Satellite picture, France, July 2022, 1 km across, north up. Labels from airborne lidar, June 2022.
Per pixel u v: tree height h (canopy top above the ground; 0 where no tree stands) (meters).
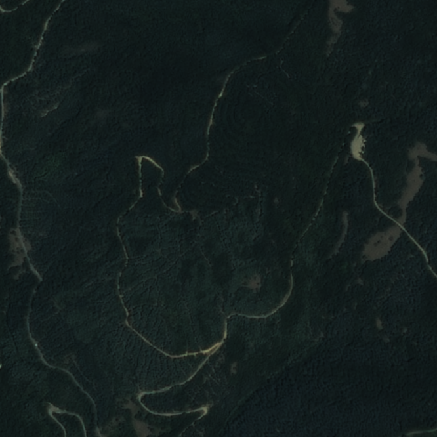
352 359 20
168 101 12
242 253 7
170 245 11
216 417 14
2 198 15
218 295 17
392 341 8
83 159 8
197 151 14
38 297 8
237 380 12
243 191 16
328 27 8
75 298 6
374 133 7
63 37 8
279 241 13
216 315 10
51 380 9
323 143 12
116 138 15
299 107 13
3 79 13
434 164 8
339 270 14
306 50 12
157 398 14
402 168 7
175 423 13
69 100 13
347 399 17
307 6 11
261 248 7
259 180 11
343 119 13
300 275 18
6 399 14
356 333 13
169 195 6
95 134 10
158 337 9
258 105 14
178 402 12
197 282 9
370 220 13
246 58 13
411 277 15
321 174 19
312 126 16
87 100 15
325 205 10
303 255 16
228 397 11
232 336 11
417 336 17
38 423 12
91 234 9
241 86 13
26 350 12
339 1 0
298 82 12
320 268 12
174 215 15
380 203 7
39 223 8
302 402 11
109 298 10
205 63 13
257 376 14
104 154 11
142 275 9
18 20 12
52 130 12
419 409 19
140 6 12
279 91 11
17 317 15
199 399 12
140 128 13
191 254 11
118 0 11
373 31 15
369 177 11
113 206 13
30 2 12
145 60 16
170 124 9
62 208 6
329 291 16
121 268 8
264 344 7
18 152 9
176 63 12
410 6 10
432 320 13
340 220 12
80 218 9
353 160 13
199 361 6
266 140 14
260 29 15
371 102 13
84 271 8
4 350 13
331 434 23
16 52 11
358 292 12
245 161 7
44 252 11
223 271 5
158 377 13
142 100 12
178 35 13
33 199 9
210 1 10
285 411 22
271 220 10
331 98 18
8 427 15
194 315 11
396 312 14
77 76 12
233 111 11
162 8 11
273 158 8
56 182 9
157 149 12
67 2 10
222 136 11
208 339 10
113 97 5
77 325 12
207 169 11
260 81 14
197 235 8
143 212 7
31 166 12
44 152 12
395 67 15
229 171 12
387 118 16
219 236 13
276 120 10
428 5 18
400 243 13
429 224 13
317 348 13
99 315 11
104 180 14
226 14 13
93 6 13
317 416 15
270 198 9
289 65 13
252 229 16
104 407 14
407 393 16
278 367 17
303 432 17
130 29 12
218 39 13
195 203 10
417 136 8
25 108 9
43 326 7
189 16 13
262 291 7
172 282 13
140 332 10
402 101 13
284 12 12
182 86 11
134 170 10
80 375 13
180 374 12
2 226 8
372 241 0
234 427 18
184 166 8
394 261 14
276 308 7
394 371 14
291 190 14
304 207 18
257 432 15
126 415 11
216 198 9
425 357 18
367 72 13
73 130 11
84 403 7
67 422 12
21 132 16
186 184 9
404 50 13
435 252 18
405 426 15
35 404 19
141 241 7
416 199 7
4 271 10
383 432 25
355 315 12
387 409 21
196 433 15
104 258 8
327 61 10
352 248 17
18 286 12
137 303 9
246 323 15
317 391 21
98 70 9
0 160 10
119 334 12
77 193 16
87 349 12
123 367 13
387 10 14
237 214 11
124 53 16
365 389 13
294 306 13
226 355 10
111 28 10
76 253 10
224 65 10
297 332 16
